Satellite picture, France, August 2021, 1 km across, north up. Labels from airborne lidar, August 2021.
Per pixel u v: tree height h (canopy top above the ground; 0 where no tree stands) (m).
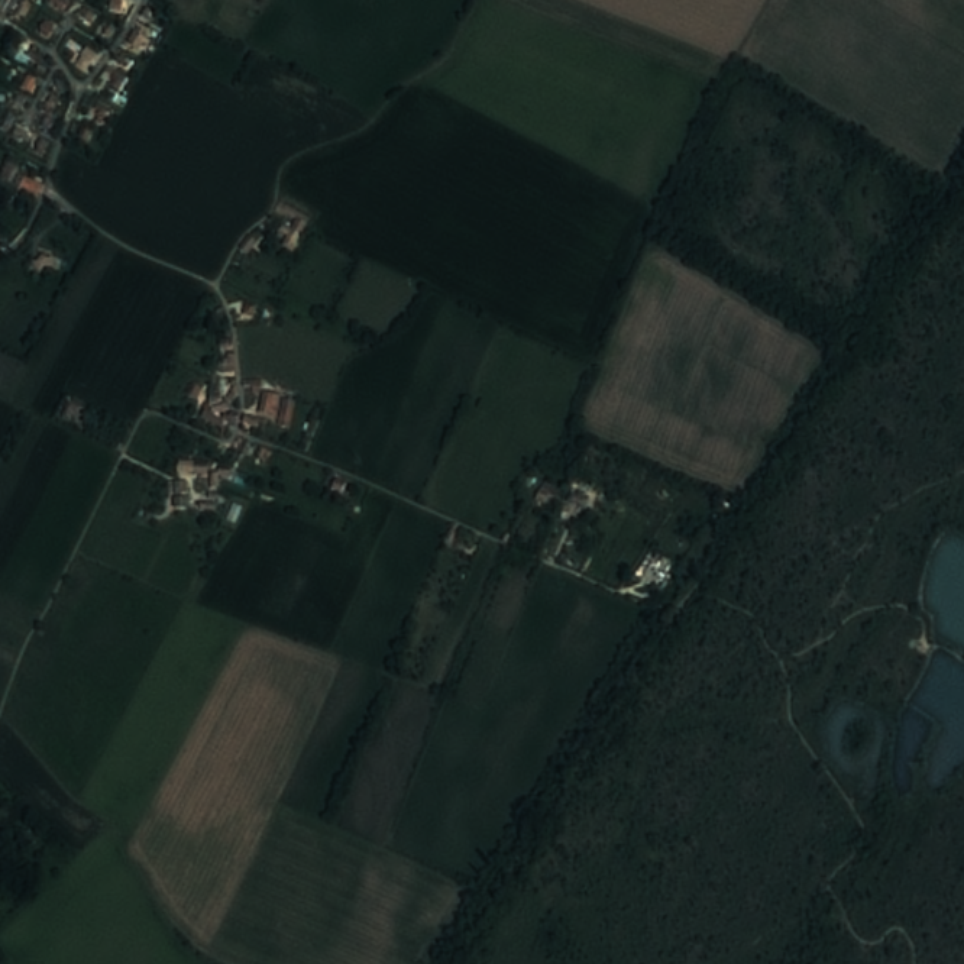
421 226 0
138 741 0
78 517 0
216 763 0
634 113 0
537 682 0
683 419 0
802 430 18
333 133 0
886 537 8
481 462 0
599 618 0
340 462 0
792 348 0
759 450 0
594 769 12
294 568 0
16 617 0
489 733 0
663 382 0
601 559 0
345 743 0
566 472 10
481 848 0
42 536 0
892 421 0
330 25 0
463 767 0
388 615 0
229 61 0
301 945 0
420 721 0
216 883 0
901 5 0
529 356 0
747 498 20
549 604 0
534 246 0
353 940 0
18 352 7
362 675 0
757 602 9
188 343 0
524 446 0
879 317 11
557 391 0
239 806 0
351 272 7
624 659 6
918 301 9
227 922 0
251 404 0
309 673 0
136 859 0
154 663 0
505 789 0
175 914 0
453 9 0
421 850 0
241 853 0
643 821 5
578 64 0
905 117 0
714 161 7
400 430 0
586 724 17
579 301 0
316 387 0
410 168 0
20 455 0
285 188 0
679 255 11
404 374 0
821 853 10
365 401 0
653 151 0
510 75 0
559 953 8
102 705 0
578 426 14
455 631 0
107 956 0
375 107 0
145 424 0
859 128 14
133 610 0
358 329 13
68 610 0
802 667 9
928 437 7
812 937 11
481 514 0
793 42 0
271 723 0
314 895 0
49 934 0
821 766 15
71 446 0
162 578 0
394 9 0
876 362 9
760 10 0
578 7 0
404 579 0
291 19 0
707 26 0
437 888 0
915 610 10
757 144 11
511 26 0
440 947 12
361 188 0
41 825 17
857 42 0
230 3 0
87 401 6
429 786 0
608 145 0
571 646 0
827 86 0
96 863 0
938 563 0
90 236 7
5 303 0
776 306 5
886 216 11
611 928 7
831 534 5
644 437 0
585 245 0
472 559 9
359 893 0
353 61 0
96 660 0
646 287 0
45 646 0
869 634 7
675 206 12
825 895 11
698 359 0
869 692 13
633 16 0
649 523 0
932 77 0
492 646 0
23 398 0
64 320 0
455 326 0
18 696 0
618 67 0
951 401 8
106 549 0
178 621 0
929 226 17
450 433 11
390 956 0
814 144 0
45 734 0
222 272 0
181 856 0
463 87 0
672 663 13
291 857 0
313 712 0
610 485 7
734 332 0
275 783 0
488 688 0
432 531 0
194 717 0
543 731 0
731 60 6
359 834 0
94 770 0
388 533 0
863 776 0
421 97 0
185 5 0
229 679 0
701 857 7
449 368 0
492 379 0
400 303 0
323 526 0
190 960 0
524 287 0
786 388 0
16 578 0
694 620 11
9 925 0
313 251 0
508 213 0
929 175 12
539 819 24
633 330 0
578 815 7
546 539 6
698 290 0
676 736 9
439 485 0
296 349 0
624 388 0
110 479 0
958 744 0
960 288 9
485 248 0
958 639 0
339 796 12
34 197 9
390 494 0
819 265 6
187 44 0
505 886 16
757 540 6
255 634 0
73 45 0
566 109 0
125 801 0
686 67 0
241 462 0
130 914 0
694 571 13
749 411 0
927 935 8
